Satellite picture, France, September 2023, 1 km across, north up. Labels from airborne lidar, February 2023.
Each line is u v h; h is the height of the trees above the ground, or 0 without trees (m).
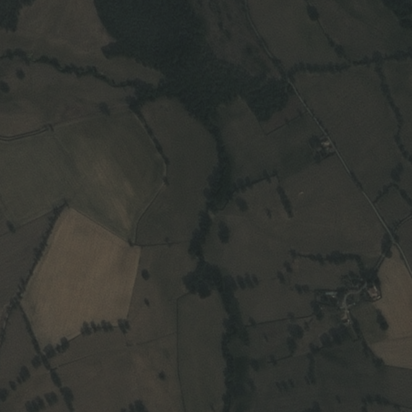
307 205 0
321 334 0
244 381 0
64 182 0
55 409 0
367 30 0
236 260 0
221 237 15
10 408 0
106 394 0
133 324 0
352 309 0
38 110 0
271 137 0
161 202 0
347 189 0
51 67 0
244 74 10
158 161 0
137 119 0
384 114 0
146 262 0
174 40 15
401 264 0
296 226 0
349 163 0
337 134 0
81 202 0
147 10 17
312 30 0
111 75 0
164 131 0
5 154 0
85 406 0
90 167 0
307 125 0
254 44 0
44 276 0
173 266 0
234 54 0
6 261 0
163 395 0
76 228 0
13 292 0
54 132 0
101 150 0
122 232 0
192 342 0
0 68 0
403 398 0
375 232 0
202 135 0
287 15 0
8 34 0
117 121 0
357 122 0
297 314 0
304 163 0
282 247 0
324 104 0
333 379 0
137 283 0
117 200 0
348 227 0
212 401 0
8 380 0
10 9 12
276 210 0
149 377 0
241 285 18
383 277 0
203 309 0
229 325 19
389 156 0
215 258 0
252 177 0
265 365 0
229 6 0
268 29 0
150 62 17
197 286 9
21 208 0
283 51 0
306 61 0
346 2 0
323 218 0
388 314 0
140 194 0
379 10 0
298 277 0
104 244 0
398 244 0
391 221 0
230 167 0
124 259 0
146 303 13
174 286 0
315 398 0
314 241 0
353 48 0
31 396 0
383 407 0
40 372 0
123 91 0
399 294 0
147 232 0
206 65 14
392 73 0
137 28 19
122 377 0
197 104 23
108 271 0
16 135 0
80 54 0
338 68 15
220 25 11
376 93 0
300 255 9
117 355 0
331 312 0
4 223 0
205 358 0
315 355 0
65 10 0
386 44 0
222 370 0
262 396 0
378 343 0
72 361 0
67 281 0
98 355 0
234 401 0
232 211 0
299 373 0
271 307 0
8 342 0
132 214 0
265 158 0
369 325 0
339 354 0
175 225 0
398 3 32
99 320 0
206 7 0
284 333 0
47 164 0
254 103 19
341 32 0
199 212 0
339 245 0
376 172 0
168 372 0
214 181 19
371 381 0
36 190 0
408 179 0
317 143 16
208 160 0
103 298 0
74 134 0
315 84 0
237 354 0
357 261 10
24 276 0
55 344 0
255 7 0
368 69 0
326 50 0
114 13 20
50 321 0
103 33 0
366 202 0
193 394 0
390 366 0
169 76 23
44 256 0
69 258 0
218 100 21
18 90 0
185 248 0
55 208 16
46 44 0
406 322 0
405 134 0
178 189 0
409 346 0
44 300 0
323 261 17
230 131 0
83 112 0
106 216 0
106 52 16
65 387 0
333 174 0
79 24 0
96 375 0
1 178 0
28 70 0
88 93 0
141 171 0
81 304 0
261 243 0
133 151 0
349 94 0
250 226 0
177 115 0
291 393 0
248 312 0
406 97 0
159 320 0
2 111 0
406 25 15
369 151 0
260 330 0
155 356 0
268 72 0
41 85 0
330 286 0
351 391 0
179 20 20
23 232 0
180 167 0
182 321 0
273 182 0
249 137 0
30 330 16
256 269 0
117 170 0
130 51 18
